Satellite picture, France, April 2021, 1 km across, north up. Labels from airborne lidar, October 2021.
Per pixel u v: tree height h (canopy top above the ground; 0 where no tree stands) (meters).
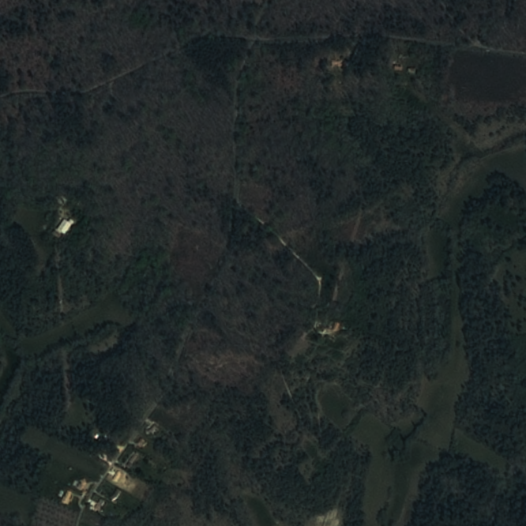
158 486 11
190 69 20
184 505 0
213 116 15
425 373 15
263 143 10
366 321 6
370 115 20
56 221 7
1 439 7
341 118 14
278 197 10
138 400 18
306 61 12
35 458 15
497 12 11
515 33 10
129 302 17
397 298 14
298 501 7
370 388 6
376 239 11
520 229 6
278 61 10
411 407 12
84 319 0
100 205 18
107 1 12
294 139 10
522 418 8
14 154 22
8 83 14
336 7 11
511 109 12
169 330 17
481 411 15
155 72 9
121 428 19
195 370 9
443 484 13
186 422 0
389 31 16
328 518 0
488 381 11
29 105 12
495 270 12
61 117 25
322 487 7
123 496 0
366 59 25
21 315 12
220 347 17
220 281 15
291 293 24
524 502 11
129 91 13
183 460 13
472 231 14
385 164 23
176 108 17
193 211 10
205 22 15
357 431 0
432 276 0
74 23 11
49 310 15
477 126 20
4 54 7
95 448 23
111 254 15
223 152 18
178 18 16
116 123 17
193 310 16
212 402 15
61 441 10
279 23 7
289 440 12
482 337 14
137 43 9
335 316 17
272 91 8
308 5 10
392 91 17
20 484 12
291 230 13
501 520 12
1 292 22
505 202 18
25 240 24
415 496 0
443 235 9
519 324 10
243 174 17
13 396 12
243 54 13
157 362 17
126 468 7
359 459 9
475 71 0
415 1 14
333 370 7
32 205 20
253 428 17
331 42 12
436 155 19
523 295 8
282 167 6
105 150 20
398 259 11
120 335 7
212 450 12
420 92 18
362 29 10
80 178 20
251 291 19
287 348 11
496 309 14
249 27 10
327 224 12
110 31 13
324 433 8
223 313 16
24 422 7
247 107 7
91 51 11
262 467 6
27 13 14
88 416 7
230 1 14
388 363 13
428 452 0
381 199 23
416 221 8
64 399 12
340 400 0
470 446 0
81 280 17
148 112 20
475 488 14
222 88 18
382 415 12
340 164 17
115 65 23
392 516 0
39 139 13
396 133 23
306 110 7
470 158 6
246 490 12
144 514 13
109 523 20
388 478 0
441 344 14
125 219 19
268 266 16
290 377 10
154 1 13
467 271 19
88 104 15
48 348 0
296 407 16
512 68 0
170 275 21
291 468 10
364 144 21
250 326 19
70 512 8
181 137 13
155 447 15
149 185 15
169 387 21
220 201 14
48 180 22
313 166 19
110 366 16
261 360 18
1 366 12
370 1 10
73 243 12
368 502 0
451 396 0
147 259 20
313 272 21
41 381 9
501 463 0
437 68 9
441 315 13
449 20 13
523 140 19
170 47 10
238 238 20
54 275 18
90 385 22
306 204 12
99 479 0
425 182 14
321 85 17
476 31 7
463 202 0
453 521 17
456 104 13
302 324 16
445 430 0
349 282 0
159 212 17
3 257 28
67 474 0
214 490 11
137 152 15
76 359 9
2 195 28
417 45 13
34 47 5
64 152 17
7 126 10
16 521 15
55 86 9
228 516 14
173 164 16
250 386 14
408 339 21
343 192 13
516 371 7
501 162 0
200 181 10
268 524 0
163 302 16
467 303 15
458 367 0
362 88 19
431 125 25
